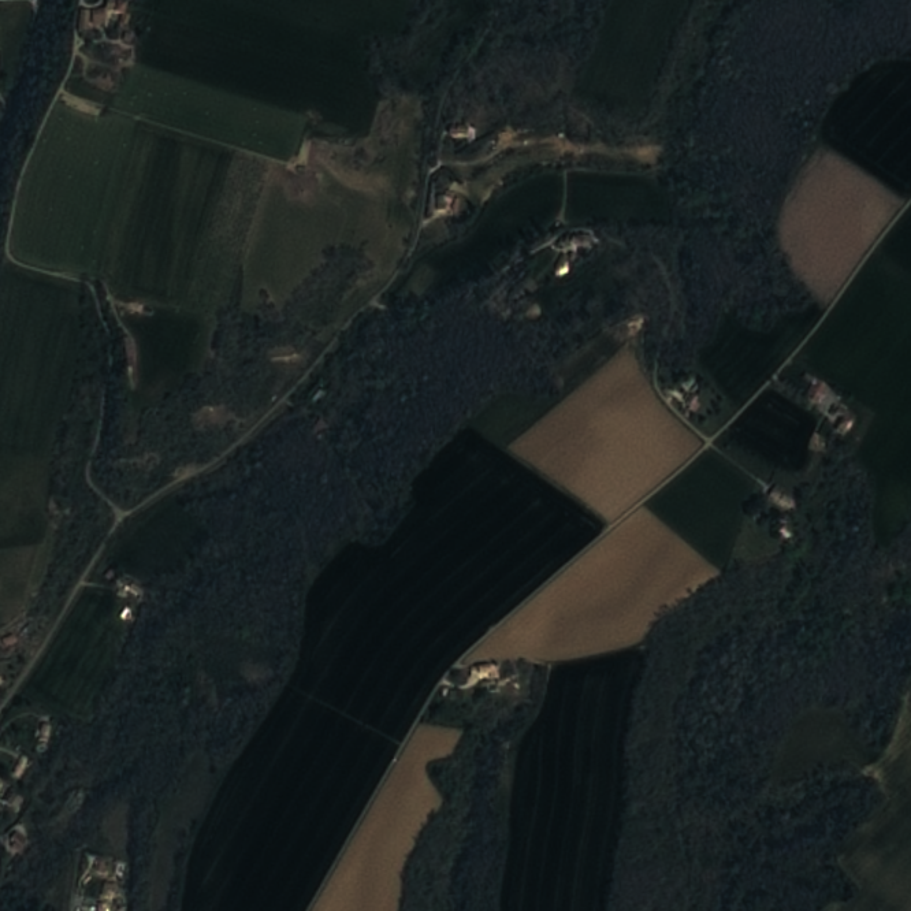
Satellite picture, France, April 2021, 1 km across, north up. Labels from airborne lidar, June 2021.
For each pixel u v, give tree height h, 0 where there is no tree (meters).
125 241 0
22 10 0
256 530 8
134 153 0
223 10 0
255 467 14
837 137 0
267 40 0
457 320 21
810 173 0
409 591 0
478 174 12
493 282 28
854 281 0
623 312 16
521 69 14
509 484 0
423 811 0
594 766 0
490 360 18
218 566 14
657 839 13
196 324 0
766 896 11
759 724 15
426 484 0
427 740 0
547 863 0
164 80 0
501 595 0
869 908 0
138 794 14
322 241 0
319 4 0
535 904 0
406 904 13
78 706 0
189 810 0
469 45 21
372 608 0
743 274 18
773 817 25
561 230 7
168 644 8
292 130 0
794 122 14
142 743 12
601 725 0
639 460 0
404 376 17
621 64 0
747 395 0
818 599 9
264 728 0
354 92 0
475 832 8
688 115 18
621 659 0
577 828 0
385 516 18
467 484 0
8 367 0
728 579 11
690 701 14
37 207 0
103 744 12
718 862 7
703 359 0
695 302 23
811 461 0
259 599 15
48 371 0
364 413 16
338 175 0
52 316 0
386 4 0
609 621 0
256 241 0
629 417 0
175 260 0
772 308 13
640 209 0
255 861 0
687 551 0
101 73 0
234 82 0
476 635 0
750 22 15
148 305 0
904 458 0
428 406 17
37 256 0
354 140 0
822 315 0
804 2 14
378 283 0
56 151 0
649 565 0
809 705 12
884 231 0
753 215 15
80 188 0
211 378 14
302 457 15
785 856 10
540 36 15
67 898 0
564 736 0
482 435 0
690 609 13
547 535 0
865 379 0
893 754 0
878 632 7
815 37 21
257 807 0
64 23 11
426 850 18
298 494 18
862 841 0
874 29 17
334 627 0
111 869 0
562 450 0
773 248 15
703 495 0
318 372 6
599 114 14
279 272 0
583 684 0
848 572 16
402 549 0
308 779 0
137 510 0
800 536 16
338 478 14
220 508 11
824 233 0
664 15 0
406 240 9
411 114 0
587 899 0
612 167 16
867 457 0
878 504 0
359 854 0
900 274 0
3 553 0
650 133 6
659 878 13
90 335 9
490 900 8
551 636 0
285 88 0
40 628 6
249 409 9
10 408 0
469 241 0
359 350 15
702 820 12
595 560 0
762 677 17
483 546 0
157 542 0
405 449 15
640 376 0
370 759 0
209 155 0
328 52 0
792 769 0
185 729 15
